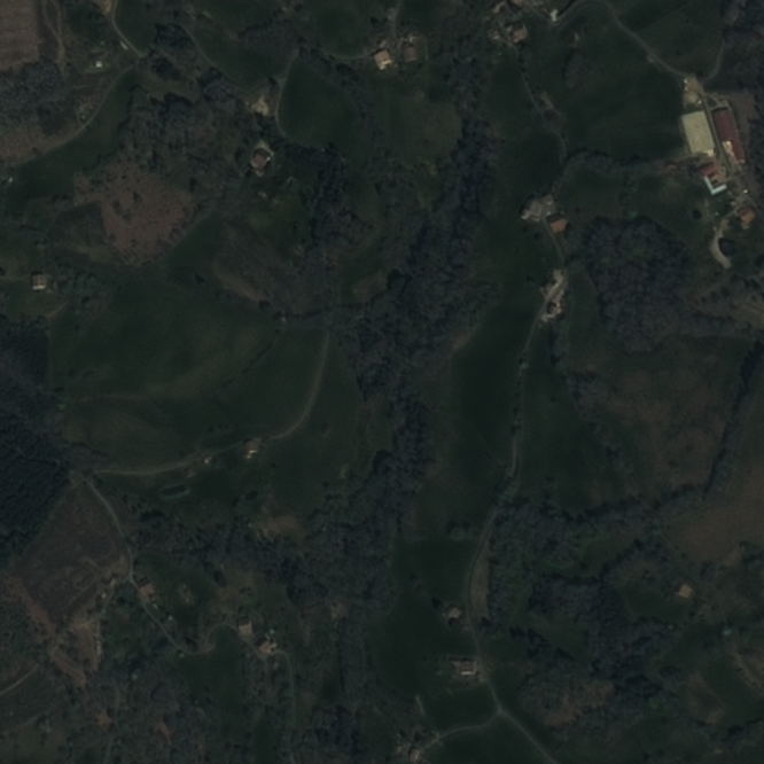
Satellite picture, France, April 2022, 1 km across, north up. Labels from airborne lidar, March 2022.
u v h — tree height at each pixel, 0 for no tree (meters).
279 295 0
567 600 29
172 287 0
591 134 0
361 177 0
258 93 0
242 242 0
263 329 0
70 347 0
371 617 14
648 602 0
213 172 23
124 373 0
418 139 0
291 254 0
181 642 20
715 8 0
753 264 0
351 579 24
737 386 0
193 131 30
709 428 0
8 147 0
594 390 23
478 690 0
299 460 0
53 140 0
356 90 16
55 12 0
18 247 0
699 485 0
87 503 0
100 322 0
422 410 30
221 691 0
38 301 0
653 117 0
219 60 0
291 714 18
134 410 0
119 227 0
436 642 0
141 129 14
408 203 20
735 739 16
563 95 0
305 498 0
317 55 14
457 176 21
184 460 11
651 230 24
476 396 0
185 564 15
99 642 0
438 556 0
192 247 0
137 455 0
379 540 26
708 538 0
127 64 0
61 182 0
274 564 24
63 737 0
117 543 0
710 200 0
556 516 21
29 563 0
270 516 0
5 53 0
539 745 0
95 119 0
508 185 0
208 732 23
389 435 0
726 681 0
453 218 25
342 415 0
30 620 7
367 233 13
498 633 14
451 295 22
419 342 25
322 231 28
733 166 0
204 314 0
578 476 0
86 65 0
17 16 0
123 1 0
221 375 0
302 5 18
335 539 27
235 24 0
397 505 28
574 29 0
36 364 11
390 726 0
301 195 0
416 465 25
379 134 19
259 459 0
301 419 0
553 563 21
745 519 0
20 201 0
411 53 0
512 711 0
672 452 0
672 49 0
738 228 0
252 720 21
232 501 0
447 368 7
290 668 0
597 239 27
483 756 0
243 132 13
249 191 22
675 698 15
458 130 0
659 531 19
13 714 0
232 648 0
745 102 0
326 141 0
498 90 0
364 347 15
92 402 0
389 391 35
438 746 0
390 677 0
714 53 0
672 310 26
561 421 0
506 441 0
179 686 29
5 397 12
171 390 0
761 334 6
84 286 11
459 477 0
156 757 16
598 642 25
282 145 21
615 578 28
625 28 0
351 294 0
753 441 0
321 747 7
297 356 0
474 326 11
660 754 0
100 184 8
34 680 0
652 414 0
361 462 0
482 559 0
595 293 0
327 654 10
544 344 0
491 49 6
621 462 23
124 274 0
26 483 16
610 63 0
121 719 13
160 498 0
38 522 17
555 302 0
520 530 21
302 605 27
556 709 9
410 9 0
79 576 0
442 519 0
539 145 0
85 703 20
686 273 29
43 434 16
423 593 12
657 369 0
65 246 0
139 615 12
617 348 0
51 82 31
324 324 17
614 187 0
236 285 0
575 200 0
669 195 0
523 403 5
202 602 0
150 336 0
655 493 0
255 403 0
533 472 0
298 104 0
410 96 0
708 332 19
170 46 22
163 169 16
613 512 19
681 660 0
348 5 0
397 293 25
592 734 9
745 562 0
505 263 0
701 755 0
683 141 0
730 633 11
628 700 26
